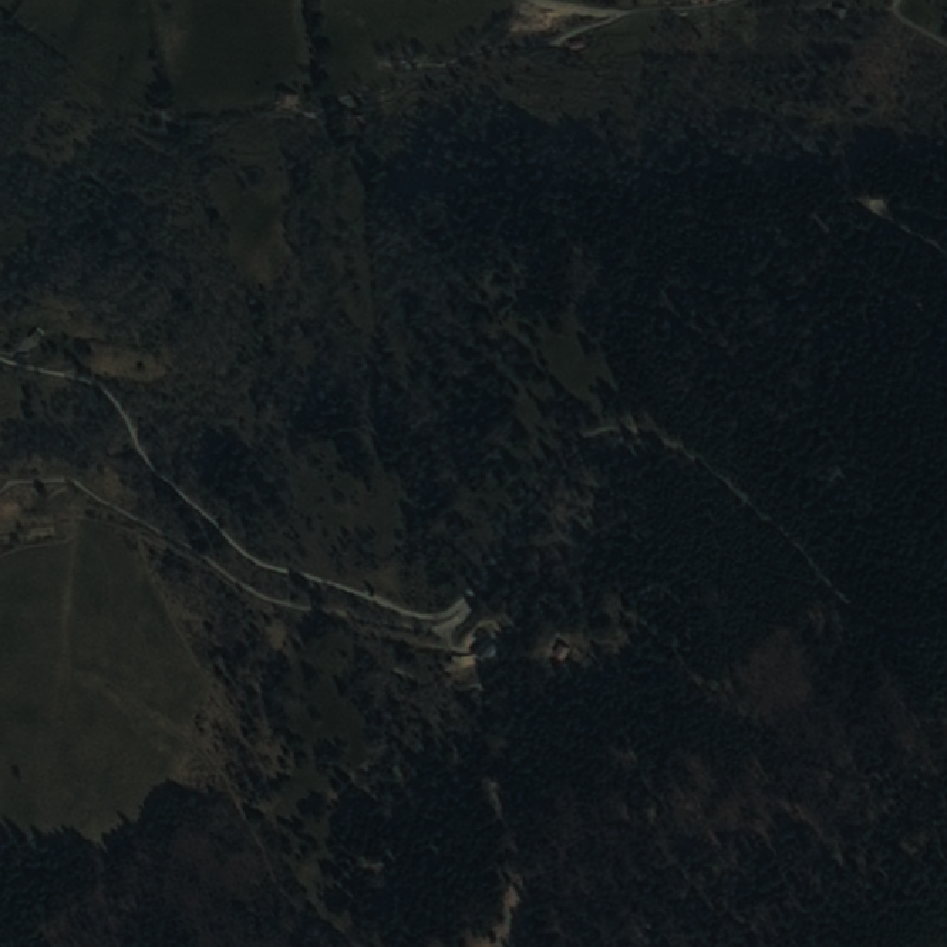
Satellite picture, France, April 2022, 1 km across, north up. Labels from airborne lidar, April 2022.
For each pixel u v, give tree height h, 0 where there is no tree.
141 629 0
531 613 22
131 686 0
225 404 7
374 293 10
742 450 20
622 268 27
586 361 0
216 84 0
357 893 17
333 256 8
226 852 15
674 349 23
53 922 18
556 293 19
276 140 0
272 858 13
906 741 13
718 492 18
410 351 7
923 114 12
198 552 11
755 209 30
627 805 13
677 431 22
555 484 6
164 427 24
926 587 27
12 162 16
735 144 21
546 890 19
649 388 25
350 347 19
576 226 25
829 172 24
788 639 19
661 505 20
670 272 22
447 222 12
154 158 12
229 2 0
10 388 0
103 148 13
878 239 20
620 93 0
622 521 13
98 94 0
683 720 20
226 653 8
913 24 0
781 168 28
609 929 20
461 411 14
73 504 0
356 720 0
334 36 0
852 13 8
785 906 18
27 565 0
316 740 0
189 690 0
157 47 8
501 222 25
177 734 0
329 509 0
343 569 9
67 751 0
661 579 15
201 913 16
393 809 11
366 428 12
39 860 26
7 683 0
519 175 27
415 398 7
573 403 10
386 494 0
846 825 20
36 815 0
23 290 7
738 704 15
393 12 0
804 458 30
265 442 8
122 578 0
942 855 10
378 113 9
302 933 11
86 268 16
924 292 26
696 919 25
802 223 30
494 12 0
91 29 0
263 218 0
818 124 0
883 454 27
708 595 22
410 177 7
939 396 23
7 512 0
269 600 0
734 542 21
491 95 13
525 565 20
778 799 15
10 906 27
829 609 16
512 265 14
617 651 0
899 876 28
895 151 27
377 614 11
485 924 20
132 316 19
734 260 26
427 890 28
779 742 14
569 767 21
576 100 0
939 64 9
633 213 26
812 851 35
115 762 0
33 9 0
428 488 19
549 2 0
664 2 0
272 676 16
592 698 20
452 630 0
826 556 24
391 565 0
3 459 7
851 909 32
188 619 0
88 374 12
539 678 18
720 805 16
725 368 36
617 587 9
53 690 0
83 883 24
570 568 18
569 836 18
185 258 9
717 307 25
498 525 9
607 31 0
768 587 20
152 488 18
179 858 19
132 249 9
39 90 17
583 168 30
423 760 9
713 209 29
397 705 20
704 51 0
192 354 7
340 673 0
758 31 0
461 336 11
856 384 24
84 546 0
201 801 15
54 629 0
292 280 13
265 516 10
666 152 20
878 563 30
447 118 7
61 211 15
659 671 18
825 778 21
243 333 11
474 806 24
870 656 19
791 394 28
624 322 16
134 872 18
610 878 21
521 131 24
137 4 0
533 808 26
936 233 24
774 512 20
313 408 15
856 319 15
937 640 27
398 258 8
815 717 21
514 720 19
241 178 0
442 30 0
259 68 0
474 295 8
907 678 25
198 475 21
